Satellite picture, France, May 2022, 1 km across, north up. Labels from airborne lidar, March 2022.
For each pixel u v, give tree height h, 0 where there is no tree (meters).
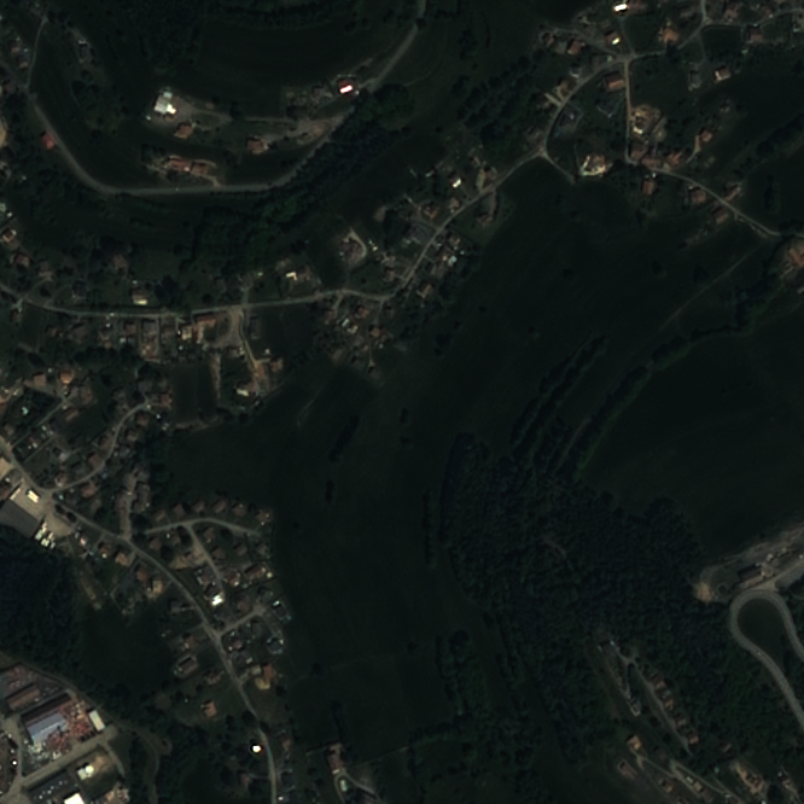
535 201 0
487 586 25
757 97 0
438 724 0
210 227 19
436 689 0
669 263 0
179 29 16
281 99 0
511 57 0
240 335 0
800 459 0
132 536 0
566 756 12
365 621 0
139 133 0
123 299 0
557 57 6
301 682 0
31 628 17
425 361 0
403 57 0
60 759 0
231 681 0
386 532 0
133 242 0
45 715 0
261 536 0
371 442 0
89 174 0
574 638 20
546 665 25
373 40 0
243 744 0
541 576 32
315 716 0
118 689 0
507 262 0
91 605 0
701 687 18
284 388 0
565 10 0
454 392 0
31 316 0
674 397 0
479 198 0
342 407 0
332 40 0
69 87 0
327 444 0
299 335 0
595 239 0
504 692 0
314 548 0
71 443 8
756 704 16
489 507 28
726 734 8
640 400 0
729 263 0
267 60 0
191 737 16
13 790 0
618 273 0
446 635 0
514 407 0
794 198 0
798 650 0
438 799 0
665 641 20
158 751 0
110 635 0
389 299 0
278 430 0
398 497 0
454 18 12
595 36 0
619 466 0
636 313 0
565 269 0
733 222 0
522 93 25
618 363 0
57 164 0
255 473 0
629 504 0
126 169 0
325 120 0
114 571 0
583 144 6
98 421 0
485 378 0
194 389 0
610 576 22
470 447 19
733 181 0
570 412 0
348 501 0
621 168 16
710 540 0
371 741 0
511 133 14
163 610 0
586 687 26
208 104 0
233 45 0
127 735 0
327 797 0
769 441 0
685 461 0
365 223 0
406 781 0
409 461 0
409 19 9
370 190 0
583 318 0
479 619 0
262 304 0
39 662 16
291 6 0
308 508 0
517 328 0
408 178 0
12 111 11
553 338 0
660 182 15
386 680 0
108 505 0
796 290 0
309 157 0
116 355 15
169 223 0
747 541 0
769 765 0
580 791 0
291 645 0
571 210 0
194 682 0
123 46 0
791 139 17
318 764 0
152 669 0
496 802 0
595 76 0
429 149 0
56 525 0
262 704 0
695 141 0
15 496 0
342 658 0
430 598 0
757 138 0
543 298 0
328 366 0
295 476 0
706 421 0
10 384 0
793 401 0
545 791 14
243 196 6
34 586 37
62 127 0
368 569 0
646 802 0
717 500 0
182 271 8
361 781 0
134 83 0
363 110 20
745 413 0
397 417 0
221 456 0
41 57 0
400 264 0
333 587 0
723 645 20
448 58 0
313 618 0
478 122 18
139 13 18
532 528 9
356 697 0
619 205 0
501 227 0
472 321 0
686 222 0
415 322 10
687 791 0
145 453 18
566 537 14
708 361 0
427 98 0
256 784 9
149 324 0
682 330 0
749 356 0
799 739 15
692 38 0
